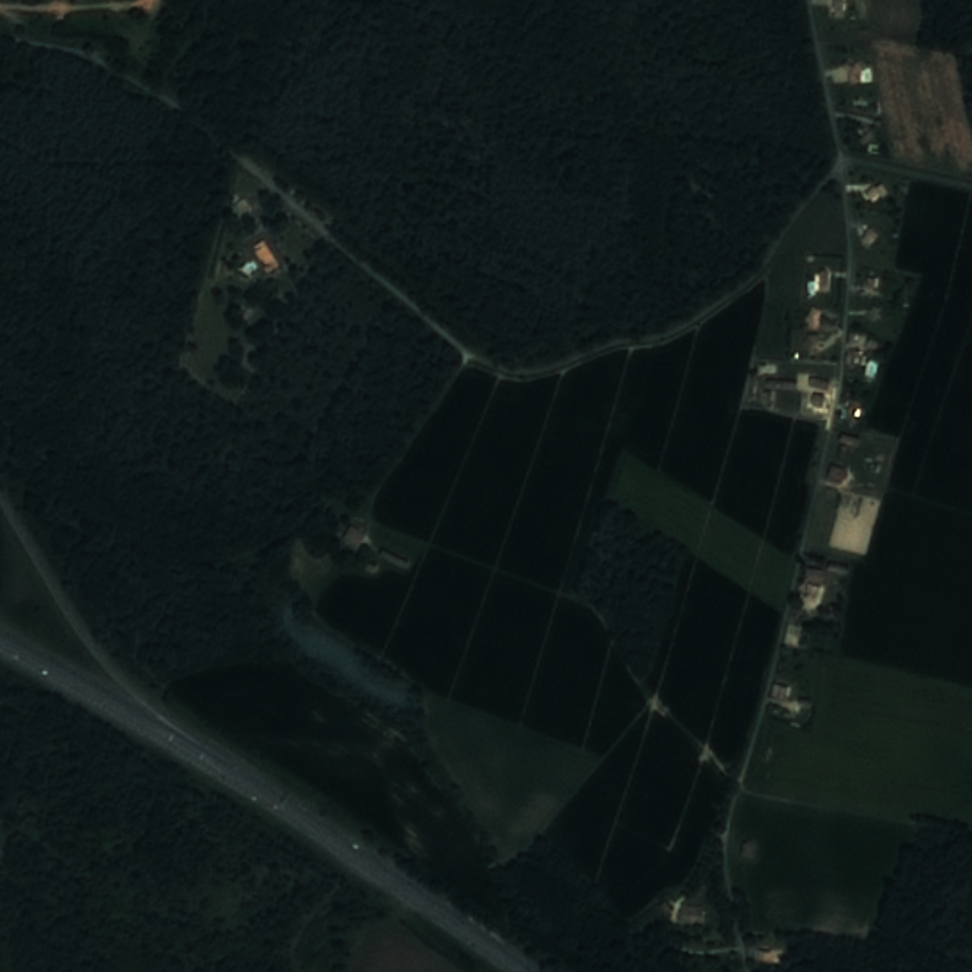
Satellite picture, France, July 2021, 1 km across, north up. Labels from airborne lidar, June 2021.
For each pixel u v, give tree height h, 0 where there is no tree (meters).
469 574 0
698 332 0
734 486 0
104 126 18
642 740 0
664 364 0
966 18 14
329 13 15
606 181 21
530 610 0
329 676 15
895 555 0
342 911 24
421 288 8
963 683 0
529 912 12
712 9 7
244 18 23
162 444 20
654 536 6
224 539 20
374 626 0
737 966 7
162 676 14
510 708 0
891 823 0
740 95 12
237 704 0
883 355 11
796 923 0
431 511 0
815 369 0
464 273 14
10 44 19
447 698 0
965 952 13
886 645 0
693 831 0
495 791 0
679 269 18
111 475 18
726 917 14
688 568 0
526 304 11
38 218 17
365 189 13
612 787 0
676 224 22
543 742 0
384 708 7
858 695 0
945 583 0
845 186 0
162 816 14
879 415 0
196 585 19
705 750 0
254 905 8
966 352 0
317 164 7
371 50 17
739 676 0
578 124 14
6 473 14
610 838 0
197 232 17
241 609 22
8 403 18
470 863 0
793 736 0
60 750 7
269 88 19
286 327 16
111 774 9
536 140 20
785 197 21
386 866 0
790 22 13
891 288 0
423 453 0
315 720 0
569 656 0
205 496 14
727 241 14
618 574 14
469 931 0
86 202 17
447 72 8
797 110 13
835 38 0
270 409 6
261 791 0
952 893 22
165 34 13
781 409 0
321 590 0
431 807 0
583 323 17
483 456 0
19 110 16
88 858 8
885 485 0
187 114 17
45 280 14
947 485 0
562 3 10
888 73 0
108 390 13
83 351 13
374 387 18
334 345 6
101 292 17
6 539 0
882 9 0
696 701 0
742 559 0
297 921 7
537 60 12
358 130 19
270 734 0
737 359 0
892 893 21
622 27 14
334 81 24
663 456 0
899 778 0
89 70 15
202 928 6
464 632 0
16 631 0
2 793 14
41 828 8
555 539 0
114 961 6
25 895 9
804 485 0
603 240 22
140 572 19
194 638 20
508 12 15
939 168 0
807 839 0
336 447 20
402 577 0
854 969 20
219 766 0
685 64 9
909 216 0
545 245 24
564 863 16
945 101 0
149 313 22
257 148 16
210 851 9
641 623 16
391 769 0
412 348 17
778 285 0
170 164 16
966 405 0
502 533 0
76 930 13
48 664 0
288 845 10
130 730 0
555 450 0
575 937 25
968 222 0
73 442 21
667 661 0
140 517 24
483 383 0
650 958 19
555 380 0
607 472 0
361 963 0
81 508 16
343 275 15
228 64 10
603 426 0
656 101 7
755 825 0
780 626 0
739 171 16
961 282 0
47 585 0
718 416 0
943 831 16
